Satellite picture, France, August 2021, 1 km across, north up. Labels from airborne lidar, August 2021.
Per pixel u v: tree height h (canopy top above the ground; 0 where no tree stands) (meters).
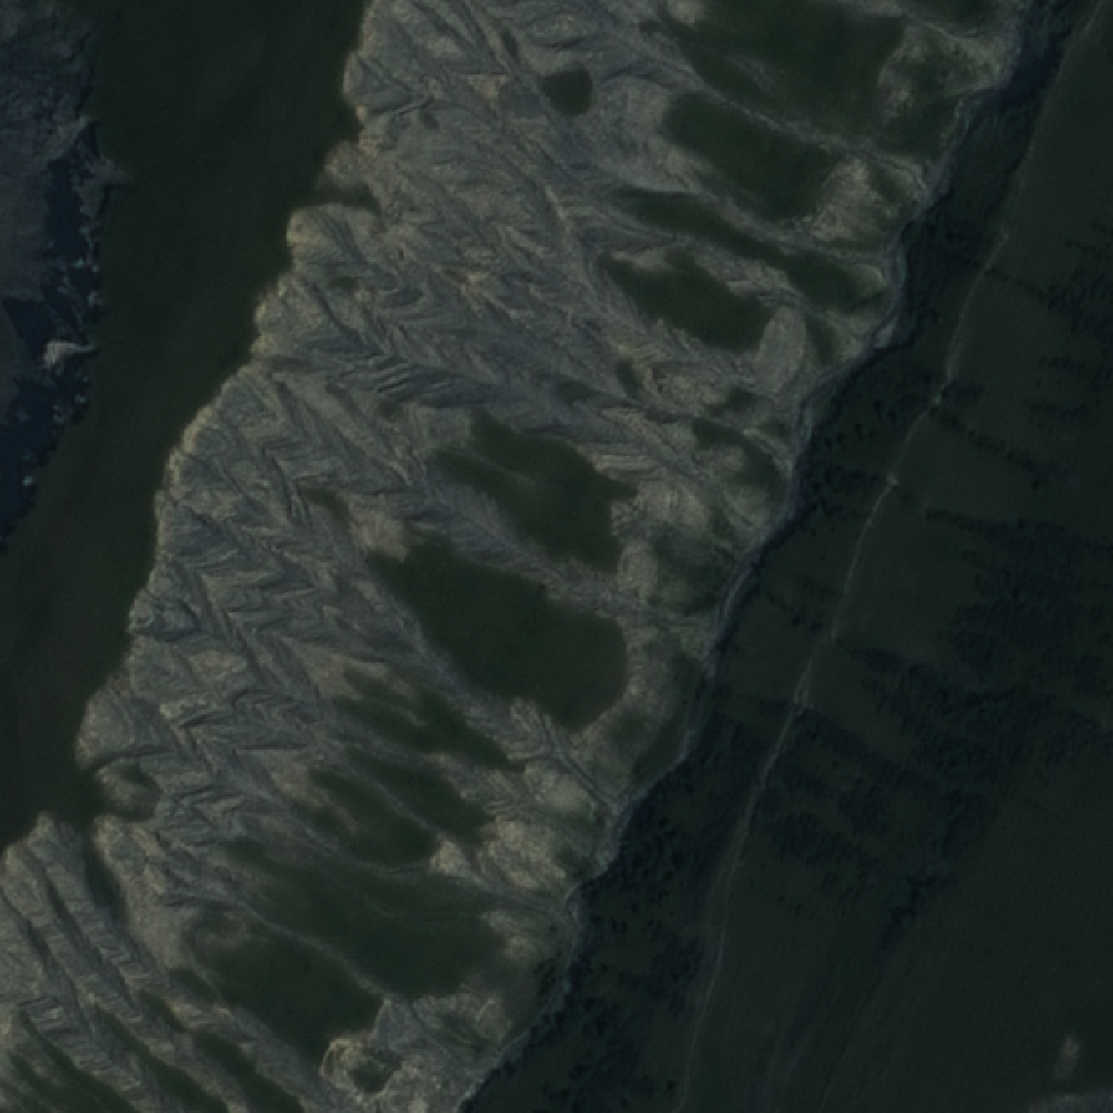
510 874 0
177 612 0
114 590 0
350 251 0
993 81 0
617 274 0
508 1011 0
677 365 0
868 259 0
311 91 0
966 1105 0
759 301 0
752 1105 0
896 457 0
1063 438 0
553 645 0
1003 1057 0
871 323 0
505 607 0
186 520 0
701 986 0
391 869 0
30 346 0
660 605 0
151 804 0
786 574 0
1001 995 0
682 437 0
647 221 0
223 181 0
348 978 0
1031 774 0
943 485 0
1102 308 0
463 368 0
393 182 0
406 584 0
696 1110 0
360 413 0
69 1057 0
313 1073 0
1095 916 0
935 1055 0
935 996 0
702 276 0
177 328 0
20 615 0
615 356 0
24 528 0
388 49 0
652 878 12
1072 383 0
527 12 0
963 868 0
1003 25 0
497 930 0
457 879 0
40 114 0
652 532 0
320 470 0
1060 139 0
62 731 0
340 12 0
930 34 0
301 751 0
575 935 0
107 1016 0
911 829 0
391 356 0
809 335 0
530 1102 0
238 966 0
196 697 0
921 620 0
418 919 0
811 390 0
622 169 0
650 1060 0
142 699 0
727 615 0
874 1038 0
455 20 0
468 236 0
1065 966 0
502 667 0
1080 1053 0
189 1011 0
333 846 0
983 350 0
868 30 0
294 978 0
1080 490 0
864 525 0
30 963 0
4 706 0
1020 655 0
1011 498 0
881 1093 0
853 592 0
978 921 0
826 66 0
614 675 0
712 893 0
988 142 0
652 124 0
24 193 0
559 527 0
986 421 0
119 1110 0
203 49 0
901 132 0
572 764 0
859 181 0
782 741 0
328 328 0
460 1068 0
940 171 0
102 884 0
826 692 0
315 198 0
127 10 0
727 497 0
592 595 0
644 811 11
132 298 0
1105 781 0
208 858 0
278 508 0
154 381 0
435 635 0
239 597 0
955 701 6
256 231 0
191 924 0
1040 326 0
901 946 0
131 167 0
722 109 0
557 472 0
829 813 0
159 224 0
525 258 0
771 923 0
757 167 0
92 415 0
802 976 0
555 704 0
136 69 0
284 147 0
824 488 9
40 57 0
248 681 0
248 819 0
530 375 0
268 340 0
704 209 0
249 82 0
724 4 0
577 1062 0
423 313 0
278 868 0
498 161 0
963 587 0
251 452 0
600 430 0
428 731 0
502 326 0
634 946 0
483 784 0
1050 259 0
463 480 0
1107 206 0
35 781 0
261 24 0
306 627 0
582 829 0
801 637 0
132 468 0
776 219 0
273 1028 0
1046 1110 0
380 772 0
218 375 0
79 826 0
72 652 0
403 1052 0
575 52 0
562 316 0
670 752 0
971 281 0
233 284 0
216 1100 0
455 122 0
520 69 0
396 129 0
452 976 0
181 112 0
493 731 0
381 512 0
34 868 0
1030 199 0
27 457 0
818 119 0
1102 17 0
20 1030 0
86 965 0
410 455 0
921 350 0
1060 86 0
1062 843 0
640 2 0
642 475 0
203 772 0
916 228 10
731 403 0
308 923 0
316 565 0
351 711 0
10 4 0
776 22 0
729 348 0
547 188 0
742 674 0
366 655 0
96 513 0
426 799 0
